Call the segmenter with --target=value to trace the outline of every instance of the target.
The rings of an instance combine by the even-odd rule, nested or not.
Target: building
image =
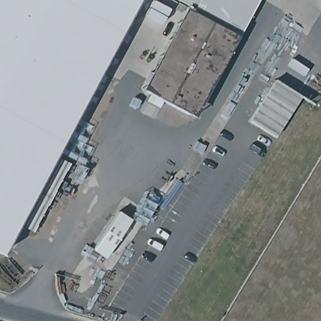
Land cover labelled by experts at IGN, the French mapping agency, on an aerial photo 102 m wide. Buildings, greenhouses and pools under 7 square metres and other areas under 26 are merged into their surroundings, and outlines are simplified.
[[[144,0],[0,0],[0,255],[8,256],[11,246],[19,236],[36,199],[43,191],[50,173],[53,172],[56,162]]]
[[[117,241],[123,238],[132,223],[132,218],[120,212],[109,227],[104,228],[102,241],[95,247],[95,250],[104,257],[110,256]]]
[[[234,35],[242,38],[262,0],[179,0],[193,4],[193,9],[189,10],[182,20],[176,15],[173,18],[168,15],[167,23],[173,23],[173,29],[166,35],[167,39],[159,50],[163,58],[152,70],[149,85],[155,88],[153,94],[188,110],[189,113],[203,108],[204,102],[238,45]]]

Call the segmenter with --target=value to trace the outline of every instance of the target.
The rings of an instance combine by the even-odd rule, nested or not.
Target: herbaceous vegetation
[[[8,256],[0,255],[0,291],[9,292],[11,296],[20,295],[33,285],[39,276],[40,268],[43,268],[38,265],[29,266],[28,270],[24,270],[14,258]]]
[[[186,275],[167,301],[157,321],[321,321],[321,102],[315,103],[303,95],[281,134],[278,138],[273,138],[271,145],[267,145],[265,157],[262,157],[252,169],[241,191],[224,209],[223,217],[219,218],[207,241],[199,248],[197,261],[188,267]]]

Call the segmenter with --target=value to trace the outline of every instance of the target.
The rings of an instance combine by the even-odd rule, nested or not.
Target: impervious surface
[[[33,285],[20,295],[11,296],[9,292],[0,291],[0,321],[157,321],[167,301],[186,275],[188,267],[197,261],[199,248],[207,241],[219,218],[223,217],[224,209],[241,191],[252,169],[262,157],[265,157],[267,145],[271,145],[273,138],[278,138],[281,134],[303,95],[315,103],[321,102],[321,0],[262,0],[242,38],[234,35],[238,45],[204,102],[203,108],[189,113],[188,110],[153,94],[155,88],[149,85],[152,70],[163,58],[159,50],[167,39],[166,35],[173,29],[173,23],[167,23],[168,15],[173,18],[176,15],[182,20],[189,10],[193,9],[193,4],[179,0],[144,0],[56,162],[53,172],[50,173],[43,191],[36,199],[19,236],[11,246],[8,256],[14,258],[24,270],[28,270],[29,266],[38,265],[43,268],[40,268],[39,276]],[[104,228],[109,227],[120,212],[132,218],[132,223],[123,238],[117,241],[110,256],[104,257],[95,250],[95,247],[102,241]]]

